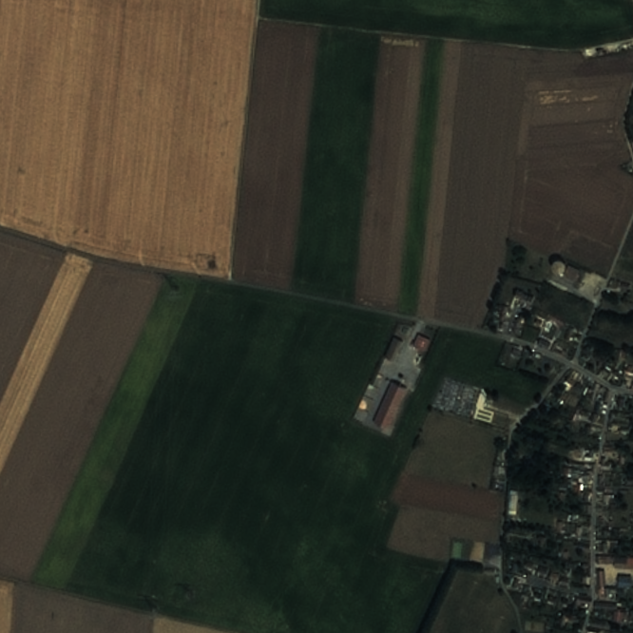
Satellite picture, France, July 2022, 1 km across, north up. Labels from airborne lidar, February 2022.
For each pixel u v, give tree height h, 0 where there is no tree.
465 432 0
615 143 0
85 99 0
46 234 0
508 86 0
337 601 0
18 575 0
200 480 0
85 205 0
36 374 0
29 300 0
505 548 10
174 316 0
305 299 0
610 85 0
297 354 0
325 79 0
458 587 0
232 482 0
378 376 0
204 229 0
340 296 0
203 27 0
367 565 0
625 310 0
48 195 0
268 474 0
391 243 0
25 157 0
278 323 0
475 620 0
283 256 0
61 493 0
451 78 0
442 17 0
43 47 0
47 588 0
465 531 0
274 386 0
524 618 0
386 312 0
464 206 0
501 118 0
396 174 0
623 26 0
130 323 0
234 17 0
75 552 0
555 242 0
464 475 0
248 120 0
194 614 0
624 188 0
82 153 0
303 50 0
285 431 0
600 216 0
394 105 0
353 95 0
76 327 0
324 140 0
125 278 0
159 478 0
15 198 0
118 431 0
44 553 0
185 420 0
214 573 0
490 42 0
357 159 0
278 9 0
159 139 0
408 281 0
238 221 0
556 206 0
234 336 0
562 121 0
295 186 0
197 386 0
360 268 0
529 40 0
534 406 0
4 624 0
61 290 0
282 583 0
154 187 0
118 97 0
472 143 0
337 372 0
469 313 0
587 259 0
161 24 0
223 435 0
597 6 0
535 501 0
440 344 0
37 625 0
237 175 0
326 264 0
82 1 0
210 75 0
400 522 0
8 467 0
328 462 0
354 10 0
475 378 0
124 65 0
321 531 0
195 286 0
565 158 0
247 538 0
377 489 0
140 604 0
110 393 0
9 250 0
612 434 0
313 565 0
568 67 0
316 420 0
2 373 0
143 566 0
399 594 0
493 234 0
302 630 0
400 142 0
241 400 0
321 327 0
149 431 0
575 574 7
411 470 0
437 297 0
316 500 0
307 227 0
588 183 0
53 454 0
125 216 0
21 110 0
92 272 0
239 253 0
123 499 0
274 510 0
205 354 0
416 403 0
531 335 0
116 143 0
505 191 0
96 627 0
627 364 0
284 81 0
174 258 0
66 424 0
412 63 0
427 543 0
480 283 0
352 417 0
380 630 0
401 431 0
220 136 0
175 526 0
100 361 0
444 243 0
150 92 0
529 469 23
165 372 0
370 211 0
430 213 0
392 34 0
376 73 0
